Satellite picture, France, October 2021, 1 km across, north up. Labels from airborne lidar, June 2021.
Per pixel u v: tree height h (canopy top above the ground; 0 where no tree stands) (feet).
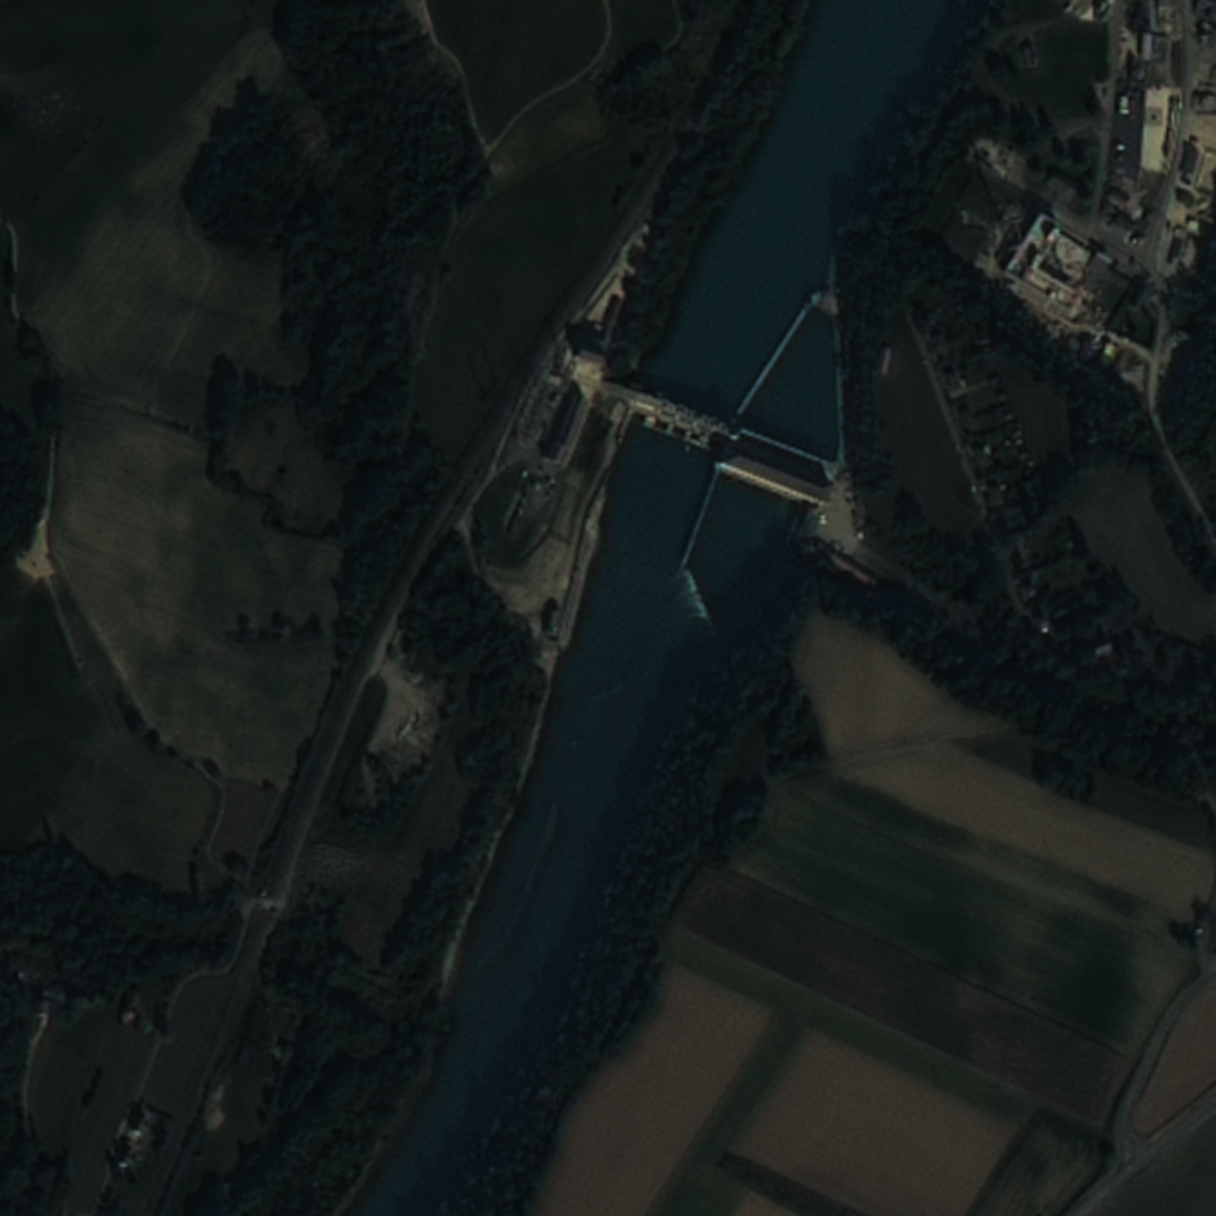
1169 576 0
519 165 0
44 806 0
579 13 0
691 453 0
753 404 0
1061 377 32
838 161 0
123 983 55
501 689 22
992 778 0
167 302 0
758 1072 0
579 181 0
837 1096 0
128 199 0
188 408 0
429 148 25
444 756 0
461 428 0
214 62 0
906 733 0
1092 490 0
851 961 0
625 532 0
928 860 0
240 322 0
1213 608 0
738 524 0
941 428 0
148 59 0
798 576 20
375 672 0
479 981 0
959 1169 0
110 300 0
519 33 0
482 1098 0
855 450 22
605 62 0
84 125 0
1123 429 65
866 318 43
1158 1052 0
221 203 73
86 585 0
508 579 0
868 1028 0
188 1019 0
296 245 67
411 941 45
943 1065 0
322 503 0
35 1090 0
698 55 20
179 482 0
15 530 72
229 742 0
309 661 0
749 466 0
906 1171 0
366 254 20
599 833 0
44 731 0
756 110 46
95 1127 0
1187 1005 0
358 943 0
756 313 0
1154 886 0
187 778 0
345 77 91
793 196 0
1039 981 0
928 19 0
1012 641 49
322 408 60
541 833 0
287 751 0
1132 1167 0
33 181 0
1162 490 48
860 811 0
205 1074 0
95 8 0
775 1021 0
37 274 0
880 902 0
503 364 0
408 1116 0
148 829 0
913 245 51
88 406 0
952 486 0
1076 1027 0
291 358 0
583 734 0
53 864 52
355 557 41
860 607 35
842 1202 0
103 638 0
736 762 0
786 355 0
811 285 0
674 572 0
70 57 0
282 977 33
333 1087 52
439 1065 0
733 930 0
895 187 43
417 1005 23
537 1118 57
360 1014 67
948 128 43
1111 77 0
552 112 0
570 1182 0
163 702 0
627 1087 0
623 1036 60
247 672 0
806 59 0
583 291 0
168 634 0
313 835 0
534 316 0
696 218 57
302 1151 80
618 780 0
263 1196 77
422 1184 0
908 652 38
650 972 38
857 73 0
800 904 0
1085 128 0
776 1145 0
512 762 33
